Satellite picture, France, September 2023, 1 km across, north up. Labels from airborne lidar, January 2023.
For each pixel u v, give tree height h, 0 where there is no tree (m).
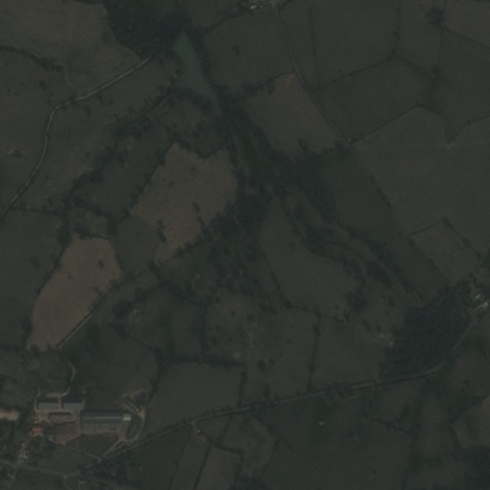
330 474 0
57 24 0
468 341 0
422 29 0
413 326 9
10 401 0
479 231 0
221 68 0
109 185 0
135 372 0
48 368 0
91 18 0
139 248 0
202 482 0
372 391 0
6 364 0
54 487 0
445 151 0
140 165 0
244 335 0
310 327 0
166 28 17
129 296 0
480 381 0
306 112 0
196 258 0
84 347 0
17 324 0
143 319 0
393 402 0
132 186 0
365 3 0
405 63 0
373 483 0
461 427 0
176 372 0
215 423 0
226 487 0
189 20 15
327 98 0
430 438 0
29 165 0
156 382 16
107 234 9
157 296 0
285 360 0
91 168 0
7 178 0
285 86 0
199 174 0
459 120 0
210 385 0
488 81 0
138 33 7
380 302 0
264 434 0
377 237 0
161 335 0
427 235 0
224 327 0
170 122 0
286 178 23
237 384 0
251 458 0
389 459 0
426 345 15
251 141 0
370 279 0
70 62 0
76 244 0
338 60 0
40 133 0
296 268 0
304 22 0
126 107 0
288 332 0
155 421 0
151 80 0
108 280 0
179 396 0
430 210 0
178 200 0
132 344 0
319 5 0
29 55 11
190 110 0
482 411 0
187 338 0
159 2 0
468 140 0
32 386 0
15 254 0
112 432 0
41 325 0
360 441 0
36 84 0
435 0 0
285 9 0
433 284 0
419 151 0
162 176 0
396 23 0
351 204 0
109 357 0
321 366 0
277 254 0
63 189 0
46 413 0
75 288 0
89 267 0
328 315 0
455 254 0
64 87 0
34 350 13
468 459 21
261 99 0
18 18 0
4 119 0
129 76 0
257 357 0
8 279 0
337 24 0
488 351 0
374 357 0
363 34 0
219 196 0
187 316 0
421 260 0
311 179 18
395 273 14
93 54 0
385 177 0
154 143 0
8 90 0
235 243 0
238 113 22
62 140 0
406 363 6
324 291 0
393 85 0
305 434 0
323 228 0
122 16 12
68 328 0
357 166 0
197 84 0
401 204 0
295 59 0
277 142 0
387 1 0
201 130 10
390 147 0
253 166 0
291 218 13
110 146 0
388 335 0
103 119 0
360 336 0
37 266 13
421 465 0
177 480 0
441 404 0
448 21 0
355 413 0
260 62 0
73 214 0
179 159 0
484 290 6
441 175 0
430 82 0
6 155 0
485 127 0
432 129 0
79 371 0
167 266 0
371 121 0
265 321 0
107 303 0
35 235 0
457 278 0
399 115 0
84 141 0
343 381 0
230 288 18
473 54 0
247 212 22
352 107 0
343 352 0
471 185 0
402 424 0
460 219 0
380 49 0
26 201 0
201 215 0
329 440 0
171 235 0
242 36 0
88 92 0
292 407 0
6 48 7
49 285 0
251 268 0
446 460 0
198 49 19
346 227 0
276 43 0
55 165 0
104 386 0
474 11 0
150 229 0
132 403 0
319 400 0
